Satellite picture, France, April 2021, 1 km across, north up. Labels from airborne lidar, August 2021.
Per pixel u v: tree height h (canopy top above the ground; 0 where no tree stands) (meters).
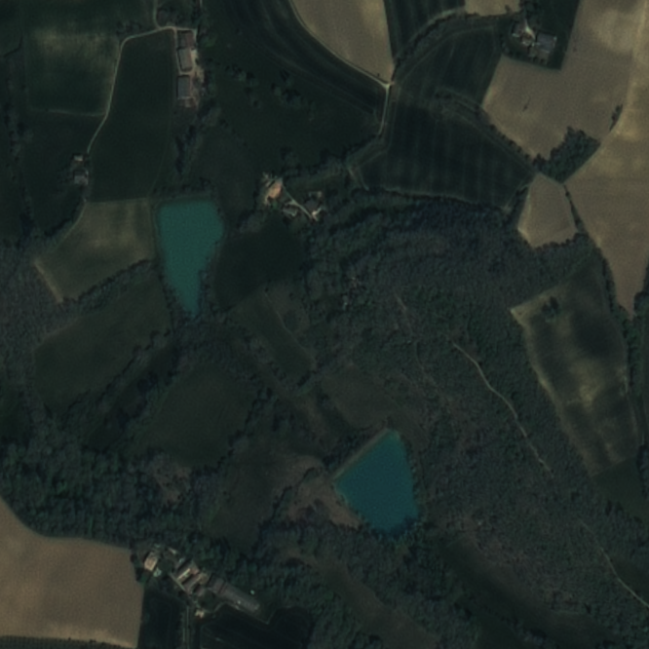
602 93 0
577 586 16
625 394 0
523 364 25
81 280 0
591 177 0
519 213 11
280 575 21
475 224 17
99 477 26
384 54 0
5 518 0
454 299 12
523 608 0
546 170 25
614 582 13
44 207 0
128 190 0
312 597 19
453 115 0
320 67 0
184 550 10
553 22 0
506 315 21
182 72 0
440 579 31
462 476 17
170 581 12
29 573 0
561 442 19
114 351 0
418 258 11
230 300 0
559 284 18
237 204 0
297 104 27
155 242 0
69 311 19
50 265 0
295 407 0
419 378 18
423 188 0
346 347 19
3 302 10
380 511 0
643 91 0
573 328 0
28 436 0
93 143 0
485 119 17
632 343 11
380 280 15
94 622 0
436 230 20
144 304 0
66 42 0
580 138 12
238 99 0
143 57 0
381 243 9
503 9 0
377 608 0
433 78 0
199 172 0
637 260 0
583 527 16
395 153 0
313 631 11
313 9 0
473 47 0
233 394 0
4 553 0
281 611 0
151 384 0
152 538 9
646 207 0
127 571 0
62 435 22
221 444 0
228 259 0
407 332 20
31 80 0
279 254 0
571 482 17
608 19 0
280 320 0
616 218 0
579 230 8
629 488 0
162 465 21
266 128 0
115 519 25
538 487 13
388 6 0
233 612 0
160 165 0
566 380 0
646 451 14
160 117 0
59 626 0
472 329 10
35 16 0
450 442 6
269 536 20
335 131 0
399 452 0
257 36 0
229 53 0
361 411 0
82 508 19
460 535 10
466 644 25
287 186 11
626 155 0
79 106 0
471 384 13
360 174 0
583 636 0
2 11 0
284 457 0
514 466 11
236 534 0
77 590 0
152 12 0
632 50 0
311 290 16
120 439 0
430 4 0
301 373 0
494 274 16
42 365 0
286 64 0
